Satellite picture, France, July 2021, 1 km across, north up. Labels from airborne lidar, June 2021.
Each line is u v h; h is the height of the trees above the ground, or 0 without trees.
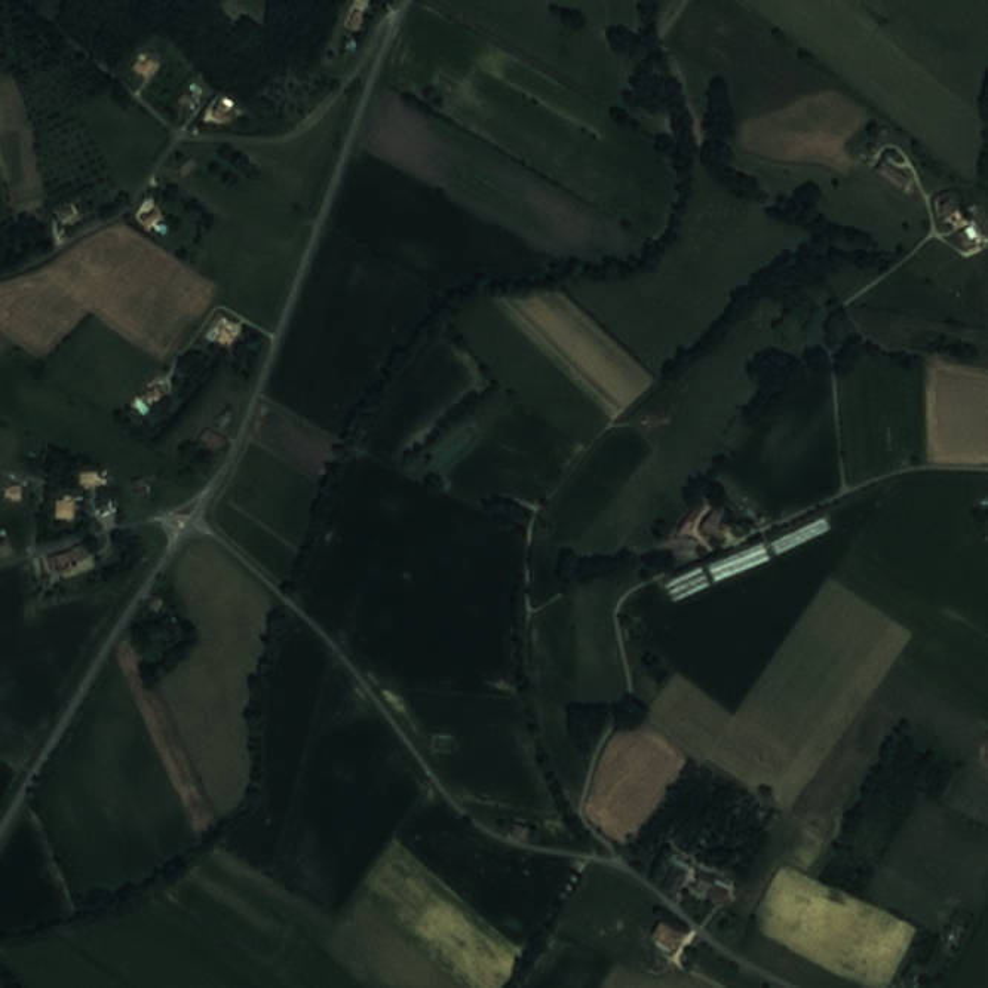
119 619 0
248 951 0
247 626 0
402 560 0
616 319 0
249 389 0
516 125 0
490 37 0
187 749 0
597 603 0
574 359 0
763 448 0
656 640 0
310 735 0
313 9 24
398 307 0
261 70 10
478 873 0
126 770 0
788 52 0
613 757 0
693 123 17
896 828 7
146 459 0
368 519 0
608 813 0
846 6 0
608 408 0
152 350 0
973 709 0
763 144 0
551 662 0
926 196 0
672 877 0
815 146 0
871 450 0
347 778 0
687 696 0
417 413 0
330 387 0
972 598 0
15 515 0
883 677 0
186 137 0
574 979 0
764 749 0
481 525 0
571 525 0
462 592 0
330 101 0
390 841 0
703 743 0
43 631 0
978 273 0
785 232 0
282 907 0
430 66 0
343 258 0
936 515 0
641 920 0
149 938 0
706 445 0
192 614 0
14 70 6
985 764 0
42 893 0
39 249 9
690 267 0
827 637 0
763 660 0
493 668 0
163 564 0
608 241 0
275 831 0
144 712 0
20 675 0
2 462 0
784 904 0
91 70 7
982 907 0
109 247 0
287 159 0
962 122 0
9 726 0
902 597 0
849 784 0
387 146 0
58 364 0
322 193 0
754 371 19
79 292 0
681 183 7
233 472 0
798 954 0
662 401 0
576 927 0
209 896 0
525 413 0
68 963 0
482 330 0
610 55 0
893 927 0
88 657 0
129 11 15
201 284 0
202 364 13
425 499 0
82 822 0
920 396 0
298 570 12
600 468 0
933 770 14
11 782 0
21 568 0
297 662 0
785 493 0
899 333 0
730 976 0
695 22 0
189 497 0
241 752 0
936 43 0
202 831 0
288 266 0
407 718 0
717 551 8
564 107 0
